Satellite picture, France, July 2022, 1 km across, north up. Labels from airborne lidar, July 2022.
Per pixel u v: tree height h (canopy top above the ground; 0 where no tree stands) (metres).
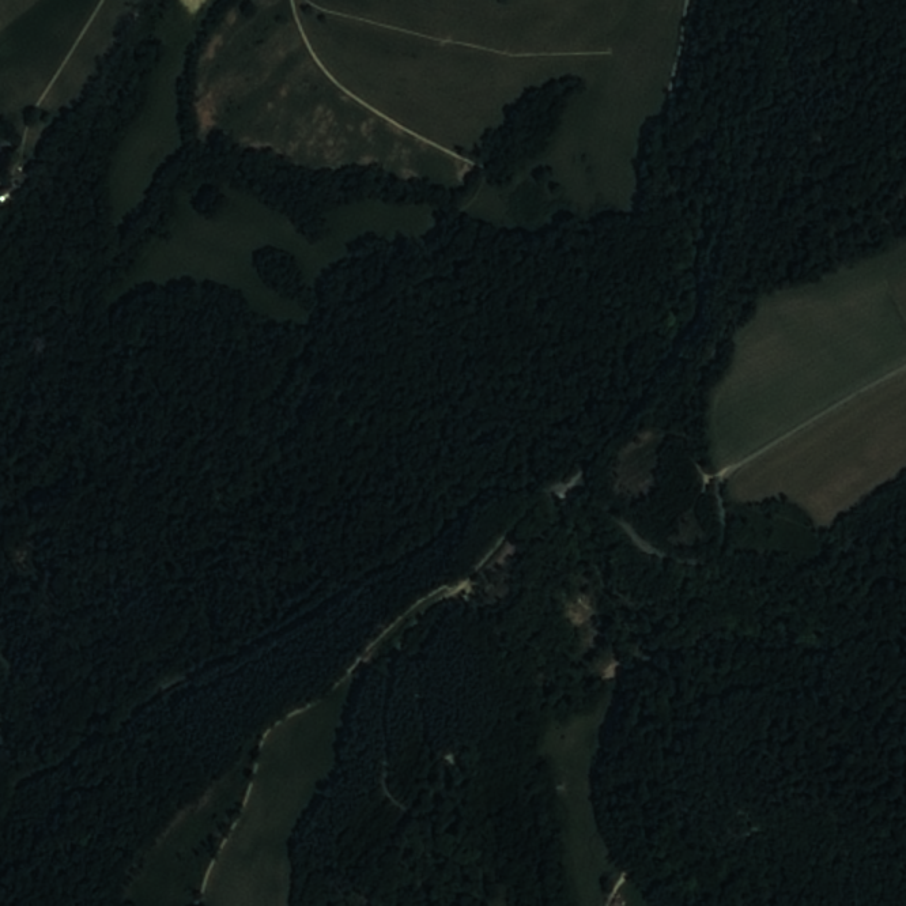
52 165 30
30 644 18
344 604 19
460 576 24
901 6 14
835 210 11
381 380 27
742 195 19
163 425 26
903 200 7
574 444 30
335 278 21
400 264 31
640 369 26
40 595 29
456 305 30
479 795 26
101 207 25
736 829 15
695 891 11
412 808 13
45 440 30
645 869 11
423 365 28
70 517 24
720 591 23
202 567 19
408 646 14
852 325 0
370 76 0
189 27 0
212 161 29
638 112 0
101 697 31
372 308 21
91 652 23
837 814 19
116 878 20
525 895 17
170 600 22
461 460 30
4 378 39
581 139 0
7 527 24
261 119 0
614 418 23
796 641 30
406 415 26
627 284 25
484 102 0
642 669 39
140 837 23
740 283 14
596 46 0
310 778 0
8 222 17
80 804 28
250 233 0
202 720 24
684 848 13
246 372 28
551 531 21
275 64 0
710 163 33
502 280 23
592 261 30
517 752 19
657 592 23
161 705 22
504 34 0
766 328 0
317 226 25
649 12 0
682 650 41
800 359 0
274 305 0
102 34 0
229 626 19
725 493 12
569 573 28
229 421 26
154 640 31
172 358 19
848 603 24
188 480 21
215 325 25
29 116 17
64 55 0
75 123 21
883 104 24
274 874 0
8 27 0
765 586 24
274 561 24
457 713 29
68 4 0
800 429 0
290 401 24
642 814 7
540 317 26
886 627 23
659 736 28
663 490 11
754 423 0
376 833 14
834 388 0
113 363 17
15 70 0
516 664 28
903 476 14
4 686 26
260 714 16
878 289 0
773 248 25
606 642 28
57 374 31
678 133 25
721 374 16
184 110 17
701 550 13
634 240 23
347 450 24
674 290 24
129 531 17
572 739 0
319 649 24
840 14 23
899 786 30
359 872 20
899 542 25
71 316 21
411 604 12
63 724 28
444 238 23
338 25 0
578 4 0
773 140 22
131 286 0
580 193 0
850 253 22
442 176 0
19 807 12
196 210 12
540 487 22
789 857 23
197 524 20
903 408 0
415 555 24
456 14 0
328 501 24
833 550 25
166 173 21
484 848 14
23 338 29
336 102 0
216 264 0
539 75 0
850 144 15
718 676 18
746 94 26
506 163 16
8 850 15
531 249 28
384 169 10
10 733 23
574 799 0
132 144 0
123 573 31
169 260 0
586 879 0
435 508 29
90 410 28
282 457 26
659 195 25
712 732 24
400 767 16
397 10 0
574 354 20
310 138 0
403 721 27
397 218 0
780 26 18
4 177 23
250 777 19
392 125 0
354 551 21
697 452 18
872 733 12
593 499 23
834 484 0
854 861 22
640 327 29
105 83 24
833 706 28
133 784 27
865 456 0
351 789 29
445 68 0
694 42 27
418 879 23
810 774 24
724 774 23
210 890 0
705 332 15
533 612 12
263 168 23
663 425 13
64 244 17
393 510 23
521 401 31
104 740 29
